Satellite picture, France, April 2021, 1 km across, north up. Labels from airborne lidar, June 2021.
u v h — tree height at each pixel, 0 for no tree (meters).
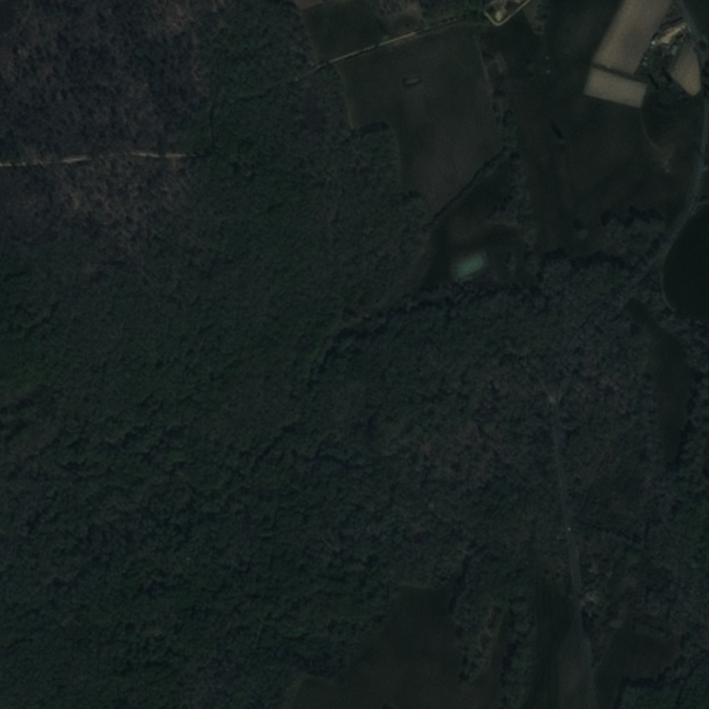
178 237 19
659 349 0
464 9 17
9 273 12
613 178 0
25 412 21
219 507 19
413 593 0
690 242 0
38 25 12
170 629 22
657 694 24
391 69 0
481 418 16
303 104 12
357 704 0
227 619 21
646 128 0
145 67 21
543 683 0
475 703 0
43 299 26
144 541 11
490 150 0
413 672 0
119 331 25
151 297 16
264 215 23
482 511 19
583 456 17
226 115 19
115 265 19
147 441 28
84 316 19
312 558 20
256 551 23
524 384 19
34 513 16
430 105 0
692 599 22
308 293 16
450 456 16
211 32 19
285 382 18
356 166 13
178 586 16
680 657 0
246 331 23
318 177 17
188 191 14
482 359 18
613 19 0
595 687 0
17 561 24
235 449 19
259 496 17
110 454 19
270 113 21
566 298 24
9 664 25
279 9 22
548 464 18
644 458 7
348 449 10
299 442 22
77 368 14
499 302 24
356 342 18
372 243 15
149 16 18
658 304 25
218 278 19
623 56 0
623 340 26
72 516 19
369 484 21
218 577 17
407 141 0
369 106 0
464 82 0
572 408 13
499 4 0
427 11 11
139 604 25
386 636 0
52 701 20
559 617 0
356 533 18
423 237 15
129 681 21
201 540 22
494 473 14
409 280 21
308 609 25
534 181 0
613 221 21
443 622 0
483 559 25
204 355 28
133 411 24
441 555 24
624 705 19
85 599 19
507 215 16
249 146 27
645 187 0
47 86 8
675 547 23
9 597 27
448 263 0
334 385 23
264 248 20
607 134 0
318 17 0
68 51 20
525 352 18
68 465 12
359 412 18
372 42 0
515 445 17
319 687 0
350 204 17
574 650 0
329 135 16
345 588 21
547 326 22
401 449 11
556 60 0
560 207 0
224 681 16
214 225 16
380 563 21
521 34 0
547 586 0
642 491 7
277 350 18
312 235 19
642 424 21
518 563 7
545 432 15
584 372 18
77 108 13
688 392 0
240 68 23
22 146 10
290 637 7
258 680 22
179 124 13
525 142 0
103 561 14
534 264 19
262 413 14
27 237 13
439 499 21
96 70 13
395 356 15
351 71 0
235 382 16
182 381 23
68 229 17
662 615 8
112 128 12
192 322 23
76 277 15
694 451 22
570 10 0
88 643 11
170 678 20
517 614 18
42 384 6
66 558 18
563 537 6
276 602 23
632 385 19
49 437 9
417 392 22
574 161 0
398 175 11
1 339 18
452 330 19
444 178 0
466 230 0
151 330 22
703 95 0
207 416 16
